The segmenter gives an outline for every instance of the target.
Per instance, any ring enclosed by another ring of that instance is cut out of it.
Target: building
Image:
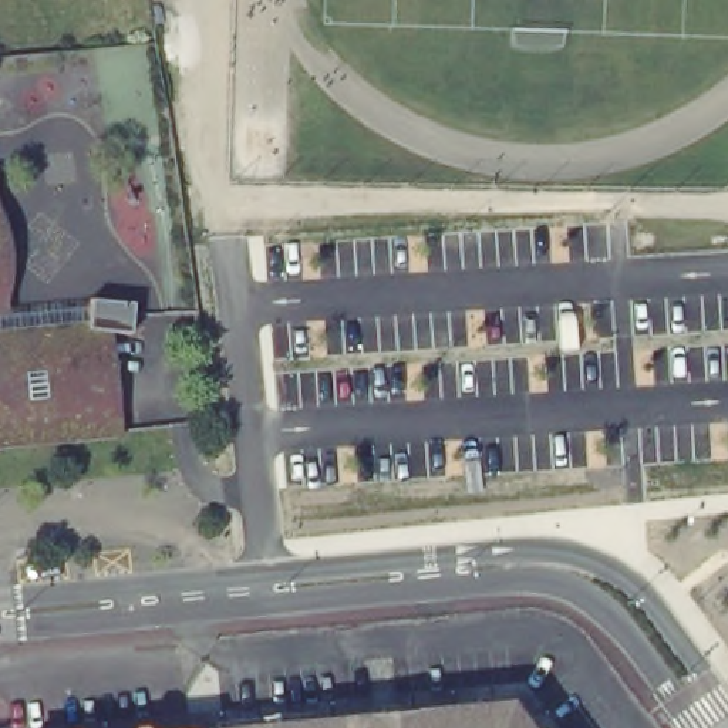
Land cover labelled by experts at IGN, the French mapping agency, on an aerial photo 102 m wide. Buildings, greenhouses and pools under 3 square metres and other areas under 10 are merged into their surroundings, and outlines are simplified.
[[[88,307],[11,310],[14,239],[0,205],[0,452],[31,449],[40,466],[46,466],[46,461],[57,449],[63,444],[80,444],[88,449],[97,441],[111,441],[122,446],[134,429],[122,424],[122,384],[114,336],[137,336],[137,301],[91,299]]]
[[[233,728],[537,728],[537,722],[518,700],[498,700],[375,711],[353,717],[282,719],[279,725],[259,722]]]

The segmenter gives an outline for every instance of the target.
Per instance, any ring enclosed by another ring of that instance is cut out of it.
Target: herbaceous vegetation
[[[313,370],[355,373],[373,364],[395,361],[404,361],[407,367],[418,364],[424,370],[429,361],[446,361],[458,373],[461,364],[478,367],[481,361],[526,361],[535,344],[546,358],[560,353],[560,336],[546,341],[518,338],[489,344],[478,358],[466,344],[373,353],[361,344],[355,344],[350,353],[327,350],[324,358],[310,355],[279,358],[273,353],[276,384],[284,375],[301,381],[301,375]]]
[[[464,475],[449,475],[446,469],[435,478],[412,478],[410,472],[407,478],[398,478],[395,472],[390,481],[378,481],[375,475],[361,478],[355,469],[350,469],[338,472],[338,481],[333,486],[316,483],[313,489],[301,486],[296,492],[287,486],[276,489],[276,512],[284,543],[299,537],[327,537],[483,518],[518,518],[594,506],[626,506],[631,501],[626,498],[623,486],[594,492],[592,483],[583,483],[597,469],[586,461],[583,466],[572,466],[566,472],[481,469],[481,495],[466,492]]]
[[[85,60],[94,63],[94,51],[77,51],[80,37],[119,31],[128,40],[131,34],[145,34],[151,20],[145,0],[0,0],[0,80],[63,71],[71,65],[82,65]]]
[[[617,341],[600,336],[594,327],[586,333],[583,341],[577,338],[574,353],[614,353]]]
[[[700,94],[705,94],[728,77],[728,0],[307,0],[301,31],[316,48],[333,51],[344,65],[350,65],[370,85],[375,85],[412,114],[483,139],[563,145],[626,134],[631,128],[663,119],[665,114],[688,105],[691,100],[697,100]]]
[[[651,256],[688,250],[728,253],[728,222],[637,216],[631,222],[628,233],[634,236],[634,245],[651,247]]]
[[[694,495],[728,495],[728,461],[711,458],[646,466],[640,503]]]
[[[651,520],[646,526],[648,552],[677,580],[700,569],[714,552],[728,552],[728,512],[697,520]]]
[[[219,472],[219,475],[230,475],[230,472],[233,472],[233,449],[228,446],[225,446],[225,449],[222,449],[222,452],[219,452],[216,458],[208,458],[208,455],[202,458],[202,461],[205,461],[205,466],[210,469],[210,472]]]
[[[290,57],[287,80],[290,142],[284,173],[293,185],[319,182],[341,188],[410,185],[458,191],[498,188],[523,193],[572,193],[560,179],[512,179],[506,173],[461,171],[424,159],[384,139],[381,134],[361,125],[355,117],[350,117],[338,102],[333,102],[327,91],[319,88],[319,82],[299,63],[299,57]]]
[[[85,478],[148,478],[156,472],[165,475],[176,469],[176,452],[168,429],[134,429],[122,446],[111,441],[97,441],[88,449],[80,444],[63,444],[57,449],[60,458],[71,458],[77,464],[88,461]]]
[[[40,466],[31,449],[0,452],[0,489],[20,486],[34,483],[34,472]]]
[[[722,566],[714,577],[691,589],[691,600],[728,646],[728,566]]]
[[[577,193],[711,193],[728,188],[728,122],[702,137],[700,142],[663,159],[654,159],[648,165],[569,179],[569,185]]]
[[[683,336],[677,336],[671,333],[671,327],[665,327],[665,333],[654,333],[640,341],[654,353],[671,353],[674,347],[683,347],[688,353],[728,344],[728,330],[685,327]]]
[[[264,239],[264,247],[296,245],[316,242],[319,247],[324,242],[378,242],[390,236],[407,239],[424,236],[429,230],[475,236],[532,228],[537,230],[543,225],[549,228],[572,228],[606,228],[628,222],[617,210],[549,210],[355,213],[247,222],[253,233]]]

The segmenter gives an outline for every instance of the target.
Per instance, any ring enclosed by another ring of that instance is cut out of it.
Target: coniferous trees
[[[219,537],[228,526],[202,509],[196,532],[202,537]]]
[[[236,435],[230,432],[228,412],[216,412],[210,404],[202,410],[185,410],[191,444],[202,458],[208,455],[208,458],[216,458],[219,452],[222,452],[222,449],[225,449],[225,446],[228,446]]]
[[[63,569],[71,560],[68,546],[34,535],[34,540],[28,543],[28,563],[34,569]]]

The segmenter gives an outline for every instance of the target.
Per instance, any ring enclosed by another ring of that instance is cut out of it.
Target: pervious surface
[[[424,236],[407,239],[410,270],[424,273]]]
[[[310,321],[310,355],[324,358],[327,350],[324,321]]]
[[[586,435],[586,461],[597,469],[606,466],[603,432],[594,429]]]
[[[572,228],[549,228],[549,250],[555,264],[563,264],[569,259],[566,236]]]
[[[532,381],[546,378],[546,358],[535,344],[526,361],[526,373]]]
[[[728,461],[728,427],[711,424],[711,458]]]
[[[640,387],[654,384],[654,353],[640,341],[634,344],[634,381]]]
[[[483,333],[483,310],[469,310],[466,344],[478,358],[489,344]]]
[[[577,193],[572,193],[523,193],[498,188],[458,191],[410,185],[341,188],[319,182],[293,185],[242,188],[230,185],[228,179],[242,168],[236,159],[236,137],[225,137],[230,0],[145,0],[151,20],[165,26],[165,57],[176,77],[176,128],[191,179],[191,210],[202,213],[208,230],[236,230],[247,222],[355,213],[549,210],[617,210],[628,222],[631,222],[637,216],[728,222],[728,188],[711,193]]]
[[[583,341],[586,333],[594,327],[594,307],[589,301],[572,304],[572,316],[577,319],[577,338]]]
[[[418,364],[407,367],[407,401],[424,398],[424,370]]]
[[[464,475],[461,441],[446,441],[446,469],[449,475]]]
[[[296,245],[299,279],[319,279],[319,247],[316,242]]]

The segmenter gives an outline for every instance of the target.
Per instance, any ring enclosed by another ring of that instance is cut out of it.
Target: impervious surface
[[[355,117],[361,125],[381,134],[384,139],[424,159],[461,171],[506,173],[512,179],[560,179],[572,193],[577,193],[569,185],[569,179],[648,165],[654,159],[663,159],[700,142],[702,137],[728,122],[728,77],[705,94],[700,94],[697,100],[691,100],[688,105],[665,114],[663,119],[631,128],[626,134],[563,145],[483,139],[412,114],[375,85],[370,85],[350,65],[344,65],[333,51],[316,48],[301,31],[307,0],[230,0],[225,137],[236,137],[236,159],[242,168],[228,179],[230,185],[242,188],[293,185],[284,173],[290,142],[287,80],[290,57],[299,57],[299,63],[319,82],[319,88],[327,91],[333,102],[338,102],[350,117]]]
[[[102,131],[108,125],[125,119],[145,125],[148,148],[139,168],[139,179],[128,182],[128,188],[122,185],[114,196],[108,196],[88,168],[88,151],[94,142],[102,139]],[[31,188],[11,193],[6,165],[17,159],[31,165]],[[176,273],[176,253],[171,239],[171,213],[165,199],[165,171],[159,156],[159,122],[151,88],[148,51],[125,43],[119,48],[94,51],[94,63],[85,60],[82,65],[71,65],[63,71],[0,80],[0,205],[14,239],[11,310],[88,307],[91,299],[137,301],[137,336],[114,336],[122,384],[122,424],[134,429],[168,429],[176,452],[176,469],[165,475],[156,472],[148,478],[85,478],[68,489],[54,489],[37,506],[37,515],[23,509],[20,486],[0,489],[0,728],[233,728],[259,722],[279,725],[282,719],[353,717],[375,711],[498,700],[518,700],[537,722],[537,728],[728,728],[728,646],[691,600],[691,589],[714,577],[722,566],[728,566],[728,552],[714,552],[700,569],[677,580],[648,552],[646,526],[651,520],[697,520],[728,512],[728,495],[694,495],[640,503],[646,466],[711,458],[711,424],[728,427],[728,344],[688,353],[683,347],[674,347],[671,353],[654,353],[654,384],[640,387],[634,381],[634,344],[640,341],[654,333],[665,333],[665,327],[671,327],[671,333],[677,336],[683,336],[685,327],[728,330],[728,253],[688,250],[651,256],[651,247],[634,245],[634,236],[628,233],[631,222],[628,222],[606,228],[572,228],[566,236],[569,259],[563,264],[555,264],[549,250],[549,228],[543,225],[537,230],[532,228],[475,236],[429,230],[424,236],[424,273],[410,270],[407,239],[390,236],[378,242],[324,242],[319,247],[319,279],[299,279],[296,245],[264,247],[264,239],[253,233],[247,222],[236,230],[208,230],[196,242],[199,293],[205,316],[182,304],[182,279]],[[594,327],[600,336],[617,341],[614,353],[574,353],[577,338],[577,319],[572,316],[572,304],[589,301],[594,307]],[[355,344],[361,344],[373,353],[466,344],[469,310],[483,310],[483,333],[489,344],[518,338],[546,341],[560,336],[560,353],[546,358],[546,378],[532,381],[526,373],[526,361],[481,361],[478,367],[461,364],[458,373],[446,361],[429,361],[424,370],[424,398],[407,401],[407,367],[404,361],[395,361],[373,364],[355,373],[313,370],[301,375],[301,381],[284,375],[276,384],[273,353],[279,358],[310,355],[310,321],[324,321],[327,350],[350,353]],[[210,404],[216,412],[228,412],[230,432],[236,435],[228,446],[233,449],[233,472],[230,472],[230,475],[219,475],[219,472],[210,472],[210,469],[205,466],[205,461],[202,461],[202,458],[191,444],[185,410],[176,401],[179,375],[165,361],[168,330],[199,330],[199,347],[210,358],[205,375],[216,384],[216,401]],[[466,492],[481,495],[481,469],[566,472],[572,466],[583,466],[586,461],[586,435],[594,429],[603,432],[606,466],[597,469],[583,483],[592,483],[594,492],[623,486],[626,498],[631,501],[626,506],[594,506],[518,518],[483,518],[327,537],[299,537],[284,543],[276,512],[276,489],[287,486],[296,492],[301,486],[313,489],[316,483],[333,486],[338,481],[338,472],[350,469],[355,469],[361,478],[375,475],[378,481],[390,481],[395,472],[398,478],[407,478],[410,472],[412,478],[435,478],[446,469],[446,441],[461,441],[464,475]],[[219,537],[202,537],[196,532],[202,509],[228,526]],[[28,563],[28,543],[34,540],[34,535],[68,546],[71,560],[63,569],[34,569]]]

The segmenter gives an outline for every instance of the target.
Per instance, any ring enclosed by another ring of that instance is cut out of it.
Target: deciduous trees
[[[37,515],[37,506],[54,489],[68,489],[85,478],[88,461],[77,464],[71,458],[60,458],[57,449],[46,461],[46,466],[40,466],[34,472],[34,483],[20,486],[23,509]]]
[[[145,125],[125,119],[108,125],[102,131],[102,139],[94,142],[88,151],[88,168],[108,196],[114,196],[122,185],[128,188],[128,182],[139,179],[139,168],[148,148]]]
[[[31,188],[31,165],[17,159],[6,165],[11,193]]]
[[[179,375],[176,401],[185,410],[202,410],[210,404],[216,401],[216,384],[205,375],[210,358],[199,347],[199,330],[168,330],[165,361]]]
[[[165,26],[151,20],[145,34],[131,34],[128,40],[119,31],[80,37],[77,51],[94,51],[119,48],[125,43],[148,51],[151,88],[159,122],[159,156],[165,171],[165,199],[171,213],[171,239],[176,253],[176,273],[182,279],[182,304],[205,316],[199,293],[196,242],[208,230],[202,213],[191,210],[191,179],[176,128],[176,77],[165,57]]]

